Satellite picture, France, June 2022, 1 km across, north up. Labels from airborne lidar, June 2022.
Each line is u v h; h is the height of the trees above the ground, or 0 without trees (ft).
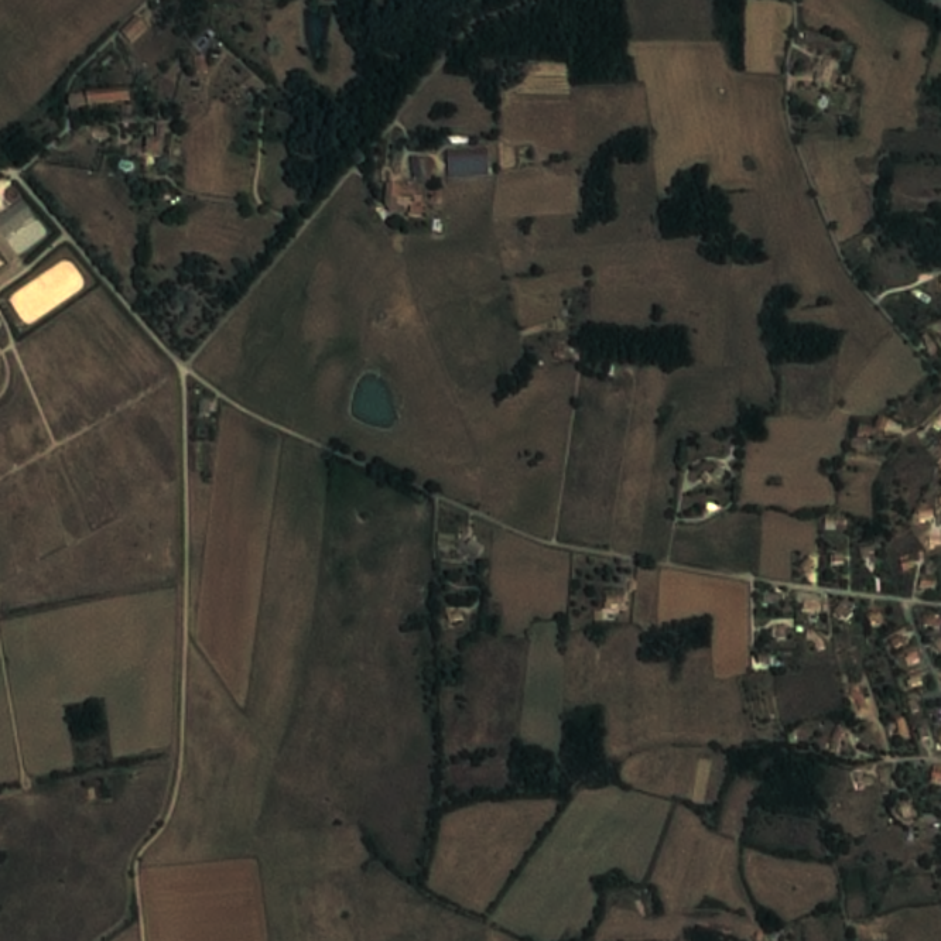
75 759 0
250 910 0
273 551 0
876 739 0
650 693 0
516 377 21
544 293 0
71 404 0
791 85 0
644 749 0
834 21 0
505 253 0
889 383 0
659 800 0
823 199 0
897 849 0
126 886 0
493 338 0
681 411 0
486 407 0
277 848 0
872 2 0
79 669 0
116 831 0
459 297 0
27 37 0
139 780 0
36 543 0
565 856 0
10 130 29
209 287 38
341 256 0
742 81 0
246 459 0
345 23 59
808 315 0
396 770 0
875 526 21
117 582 0
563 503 0
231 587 0
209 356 0
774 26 0
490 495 0
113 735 0
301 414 0
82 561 0
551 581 0
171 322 27
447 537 0
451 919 0
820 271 0
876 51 0
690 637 28
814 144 0
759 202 0
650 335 44
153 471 0
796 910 0
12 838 0
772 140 0
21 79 0
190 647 0
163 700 0
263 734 0
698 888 0
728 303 0
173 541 0
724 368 0
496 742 0
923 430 22
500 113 23
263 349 0
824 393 0
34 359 0
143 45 0
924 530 0
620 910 0
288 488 0
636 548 0
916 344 22
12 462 0
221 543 0
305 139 57
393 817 0
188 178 0
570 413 0
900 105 0
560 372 0
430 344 0
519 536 0
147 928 0
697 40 0
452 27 57
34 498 0
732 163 0
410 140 31
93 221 0
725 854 0
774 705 0
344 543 0
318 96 43
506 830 0
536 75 0
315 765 0
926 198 0
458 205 0
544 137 0
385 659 0
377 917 0
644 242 0
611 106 0
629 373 0
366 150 45
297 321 0
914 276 0
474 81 19
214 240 0
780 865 0
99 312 0
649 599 0
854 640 0
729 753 31
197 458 0
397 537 0
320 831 0
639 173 0
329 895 0
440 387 0
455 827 0
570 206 0
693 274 0
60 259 0
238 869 0
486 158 0
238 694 0
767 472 0
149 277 35
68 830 0
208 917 0
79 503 0
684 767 0
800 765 20
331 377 0
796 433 0
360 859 0
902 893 0
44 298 0
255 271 29
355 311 0
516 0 47
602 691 0
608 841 0
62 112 29
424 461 0
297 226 39
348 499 0
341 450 41
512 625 0
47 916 0
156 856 0
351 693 0
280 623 0
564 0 43
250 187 0
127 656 0
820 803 26
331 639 0
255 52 27
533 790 22
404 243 0
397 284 0
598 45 20
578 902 0
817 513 27
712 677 0
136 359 0
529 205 0
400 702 0
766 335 30
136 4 0
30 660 0
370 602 0
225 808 0
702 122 0
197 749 0
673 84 0
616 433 0
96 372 0
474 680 0
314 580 0
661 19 0
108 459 0
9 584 0
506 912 0
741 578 0
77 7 0
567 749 45
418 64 46
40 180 21
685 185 22
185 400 0
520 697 0
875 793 0
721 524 0
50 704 0
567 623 28
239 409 0
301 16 0
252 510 0
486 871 0
